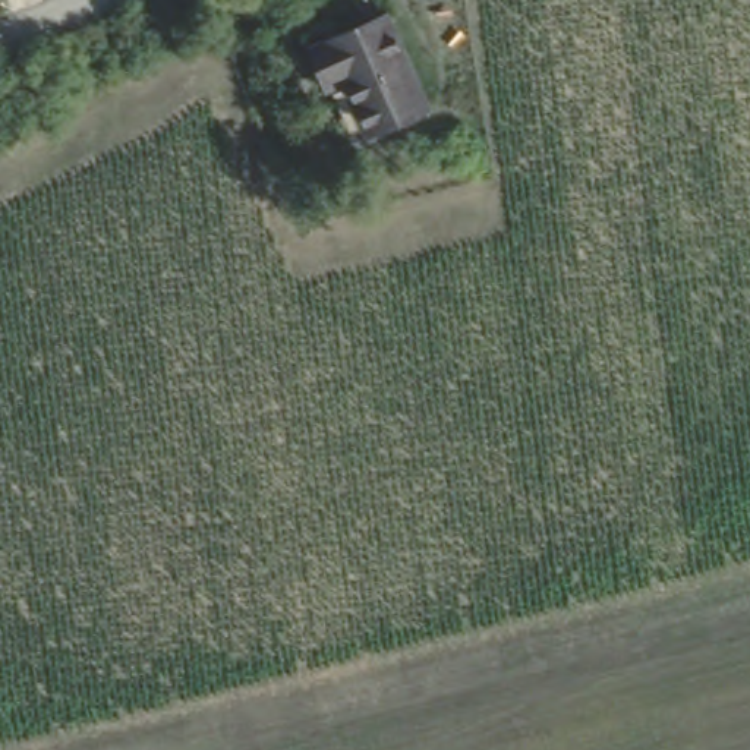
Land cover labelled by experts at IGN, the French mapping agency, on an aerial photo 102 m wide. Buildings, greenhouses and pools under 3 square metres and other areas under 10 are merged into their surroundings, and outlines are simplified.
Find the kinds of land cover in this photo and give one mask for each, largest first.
<instances>
[{"label":"vineyard","instance_id":"1","mask_svg":"<svg viewBox=\"0 0 750 750\"><path fill-rule=\"evenodd\" d=\"M478 35L483 47L489 114H480L475 79L457 82V76H451L445 82H437V76H431L422 85L425 97L431 100V111L437 114L457 117V126H472L486 141L492 164L489 179L501 185L504 220V226L492 234L466 237L445 246H428L407 258L375 261L369 267L322 272L313 278H299L284 270V255L275 249V237L264 226V211L270 208V202L246 196L240 182L223 170V161L214 155L208 138V123L214 120L208 105H190L182 117H173L149 138L120 144L117 149L100 155L94 164L76 173H64L62 179L44 182L0 205V741H26L35 735H47L56 724L70 727L111 721L126 709H158L173 700H190L272 677H287L296 671V662H308V668H325L349 662L360 653L396 650L437 636L492 627L545 609H563L568 606V598H612L621 592H636L650 580H683L700 571L721 568L727 563L750 560V0H478Z\"/></svg>","mask_w":750,"mask_h":750},{"label":"agricultural land","instance_id":"2","mask_svg":"<svg viewBox=\"0 0 750 750\"><path fill-rule=\"evenodd\" d=\"M0 750H750V560L727 563L721 568L700 571L683 580H650L636 592H621L612 598H568V606L563 609H545L492 627L437 636L396 650L360 653L349 662L325 668H308V662H296V671L287 677H272L190 700H173L158 709H126L111 721L70 727L56 724L47 735H35L26 741H0Z\"/></svg>","mask_w":750,"mask_h":750},{"label":"herbaceous vegetation","instance_id":"3","mask_svg":"<svg viewBox=\"0 0 750 750\"><path fill-rule=\"evenodd\" d=\"M144 23L158 35L164 29H179L182 18L188 12L196 15L205 6V0H141ZM381 15H390L396 38L401 41L413 64V73L422 85L431 76H437V82H445L451 76H457V82L475 79L480 114H489L483 47L478 35V0H325L308 23L278 38L284 44L287 59L305 76H316L322 67H331L346 59V50L334 47L331 38L354 32L357 26ZM190 105H208L214 120L208 123V138L214 155L223 161V170L240 182L246 196L270 202V208L264 211V226L275 237V249L284 255V270L299 278H313L322 272L369 267L375 261L407 258L428 246H445L466 237L492 234L504 226V220L501 185L489 179L483 185H475L469 179H460L454 167H419L410 176H387L381 179V190L369 193V208L352 217H331L319 229H311L308 237H299L293 217L278 211L290 190L287 176H272L270 164L252 161L246 141L237 135L243 126V108L234 105L229 64L214 56L176 59L173 53L158 64H149L141 79L126 76L123 85L94 88L82 120L67 117L56 132H35L0 152V205L44 182L62 179L64 173H76L94 164L100 155L117 149L120 144L149 138L173 117H182Z\"/></svg>","mask_w":750,"mask_h":750},{"label":"deciduous trees","instance_id":"4","mask_svg":"<svg viewBox=\"0 0 750 750\"><path fill-rule=\"evenodd\" d=\"M325 0H205V6L196 15L188 12L182 18L179 29H164L158 35L144 23L141 0H132L120 18H105L103 23L88 26L76 35L38 41V53L29 59L23 70L0 76V152L35 132H56L67 117L82 120L94 88L123 85L126 76L141 79L149 64H158L173 53L176 59L214 56L229 64L234 105L243 108V126L237 135L246 141L252 161L270 164L272 176H287L290 190L278 211L293 217L299 237H308L311 229H319L331 217H352L369 208V193L381 190V179L387 176H410L419 167H454L460 179H469L475 185H483L489 179L492 164L486 141L472 126H457V117L437 114L401 126L396 132L375 126L366 132H346L343 114H352L357 103H352V94H343L337 85L328 94H322L316 76H305L287 59L284 44L278 38L308 23Z\"/></svg>","mask_w":750,"mask_h":750},{"label":"building","instance_id":"5","mask_svg":"<svg viewBox=\"0 0 750 750\"><path fill-rule=\"evenodd\" d=\"M334 47L346 50V59L331 67H322L316 76L322 94H328L337 85L343 94H352V103H357L352 114H343L346 132H366L375 126L396 132L401 126L437 114L431 111V100L425 97L422 85L413 73V64L401 41L396 38L390 15H381L357 26L354 32L331 38Z\"/></svg>","mask_w":750,"mask_h":750},{"label":"impervious surface","instance_id":"6","mask_svg":"<svg viewBox=\"0 0 750 750\"><path fill-rule=\"evenodd\" d=\"M132 0H0V76L23 70L29 59L38 53V41L76 35L88 26L103 23L105 18H120Z\"/></svg>","mask_w":750,"mask_h":750}]
</instances>
